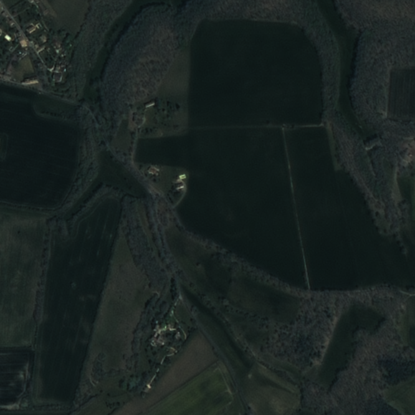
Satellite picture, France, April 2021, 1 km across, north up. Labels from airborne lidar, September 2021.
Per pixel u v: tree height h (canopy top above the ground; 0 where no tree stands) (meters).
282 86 0
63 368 0
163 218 11
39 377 0
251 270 10
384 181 20
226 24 0
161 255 10
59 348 0
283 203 0
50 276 0
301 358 14
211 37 0
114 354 0
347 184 0
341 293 14
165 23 13
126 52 16
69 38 14
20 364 0
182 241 0
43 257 9
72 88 11
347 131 19
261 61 0
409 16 10
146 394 8
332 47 18
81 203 0
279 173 0
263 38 0
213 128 0
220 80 0
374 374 16
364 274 0
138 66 13
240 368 0
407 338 0
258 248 0
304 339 14
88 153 13
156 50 17
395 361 13
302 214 0
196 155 0
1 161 0
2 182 0
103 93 19
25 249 0
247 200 0
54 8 0
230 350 0
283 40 0
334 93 17
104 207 0
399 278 0
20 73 0
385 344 13
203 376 0
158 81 12
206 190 0
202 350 0
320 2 0
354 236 0
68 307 0
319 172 0
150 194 0
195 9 17
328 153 0
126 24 0
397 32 21
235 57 0
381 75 9
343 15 19
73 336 0
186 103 0
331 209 0
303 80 0
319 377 0
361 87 21
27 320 0
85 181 11
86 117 10
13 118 0
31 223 0
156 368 8
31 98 0
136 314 0
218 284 0
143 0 0
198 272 0
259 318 7
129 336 0
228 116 0
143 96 16
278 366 0
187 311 0
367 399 19
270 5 16
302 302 11
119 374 10
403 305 12
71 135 0
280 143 0
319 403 17
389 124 15
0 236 0
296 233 0
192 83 0
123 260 0
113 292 0
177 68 0
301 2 19
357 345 14
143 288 0
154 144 0
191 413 0
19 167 0
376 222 12
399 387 0
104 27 26
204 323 0
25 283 0
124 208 16
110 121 8
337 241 0
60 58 8
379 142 18
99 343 0
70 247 0
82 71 16
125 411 0
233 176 0
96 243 0
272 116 0
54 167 0
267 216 0
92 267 0
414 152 0
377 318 0
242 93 0
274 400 0
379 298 10
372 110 16
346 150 17
